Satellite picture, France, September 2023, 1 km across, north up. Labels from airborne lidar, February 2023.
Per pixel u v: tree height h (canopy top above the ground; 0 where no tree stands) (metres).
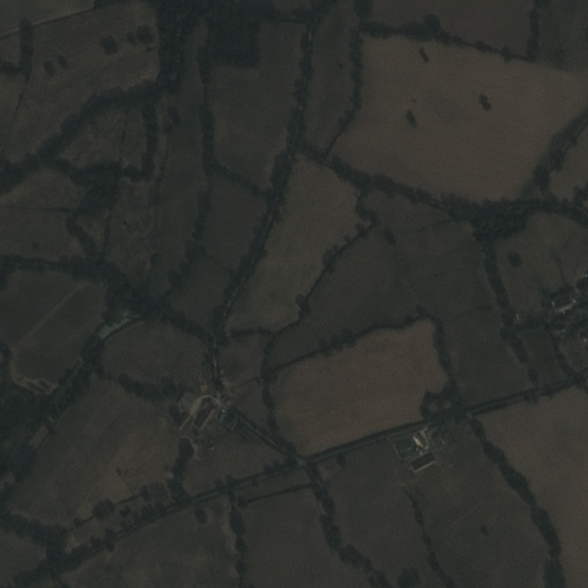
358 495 0
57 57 0
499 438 0
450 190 0
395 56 0
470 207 20
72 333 0
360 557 9
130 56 0
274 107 0
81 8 0
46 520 0
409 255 0
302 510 0
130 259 0
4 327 0
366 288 0
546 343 0
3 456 0
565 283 0
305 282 0
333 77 0
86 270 22
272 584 0
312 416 0
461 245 0
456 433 0
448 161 0
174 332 0
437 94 0
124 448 0
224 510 0
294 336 0
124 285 23
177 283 20
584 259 0
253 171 0
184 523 0
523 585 0
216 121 0
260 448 0
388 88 0
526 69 0
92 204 20
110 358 0
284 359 0
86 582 0
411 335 0
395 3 0
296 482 0
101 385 0
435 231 0
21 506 0
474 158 0
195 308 0
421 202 8
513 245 0
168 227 0
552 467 0
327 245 0
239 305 0
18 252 0
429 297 0
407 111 0
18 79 0
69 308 0
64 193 0
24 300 0
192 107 0
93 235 0
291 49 0
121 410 0
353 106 14
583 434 0
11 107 0
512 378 0
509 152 0
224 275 0
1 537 0
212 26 19
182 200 0
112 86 0
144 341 0
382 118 0
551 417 0
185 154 0
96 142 0
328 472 0
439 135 0
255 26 18
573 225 0
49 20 0
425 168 0
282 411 0
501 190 0
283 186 19
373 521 0
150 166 18
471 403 0
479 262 0
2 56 0
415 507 14
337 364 0
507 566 0
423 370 0
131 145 0
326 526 16
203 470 0
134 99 23
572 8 0
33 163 19
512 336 14
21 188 0
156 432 0
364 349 0
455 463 0
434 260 0
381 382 0
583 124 0
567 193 0
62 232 0
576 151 0
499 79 0
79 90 0
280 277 0
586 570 0
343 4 0
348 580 0
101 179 0
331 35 0
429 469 0
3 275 13
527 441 0
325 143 0
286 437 0
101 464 0
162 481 0
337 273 0
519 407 0
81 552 12
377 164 0
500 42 0
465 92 0
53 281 0
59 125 0
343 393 0
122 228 0
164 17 18
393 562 0
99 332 9
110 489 0
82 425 0
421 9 0
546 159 0
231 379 0
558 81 0
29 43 9
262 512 0
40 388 0
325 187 0
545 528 15
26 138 0
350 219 0
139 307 18
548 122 0
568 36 0
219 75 0
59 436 0
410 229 0
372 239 0
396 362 0
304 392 0
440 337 9
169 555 0
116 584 0
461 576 0
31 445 0
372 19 0
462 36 0
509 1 0
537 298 0
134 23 0
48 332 0
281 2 0
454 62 0
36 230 0
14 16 0
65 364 0
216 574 0
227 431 7
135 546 0
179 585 0
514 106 0
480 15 0
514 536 0
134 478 0
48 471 0
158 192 0
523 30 0
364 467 0
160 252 0
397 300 0
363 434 0
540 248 0
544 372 0
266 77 0
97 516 12
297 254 0
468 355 0
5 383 12
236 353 0
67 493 0
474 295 0
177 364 0
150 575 0
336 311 0
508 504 0
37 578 13
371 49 0
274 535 0
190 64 0
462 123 0
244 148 0
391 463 0
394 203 0
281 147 0
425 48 0
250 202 0
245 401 0
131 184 0
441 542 0
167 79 7
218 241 0
